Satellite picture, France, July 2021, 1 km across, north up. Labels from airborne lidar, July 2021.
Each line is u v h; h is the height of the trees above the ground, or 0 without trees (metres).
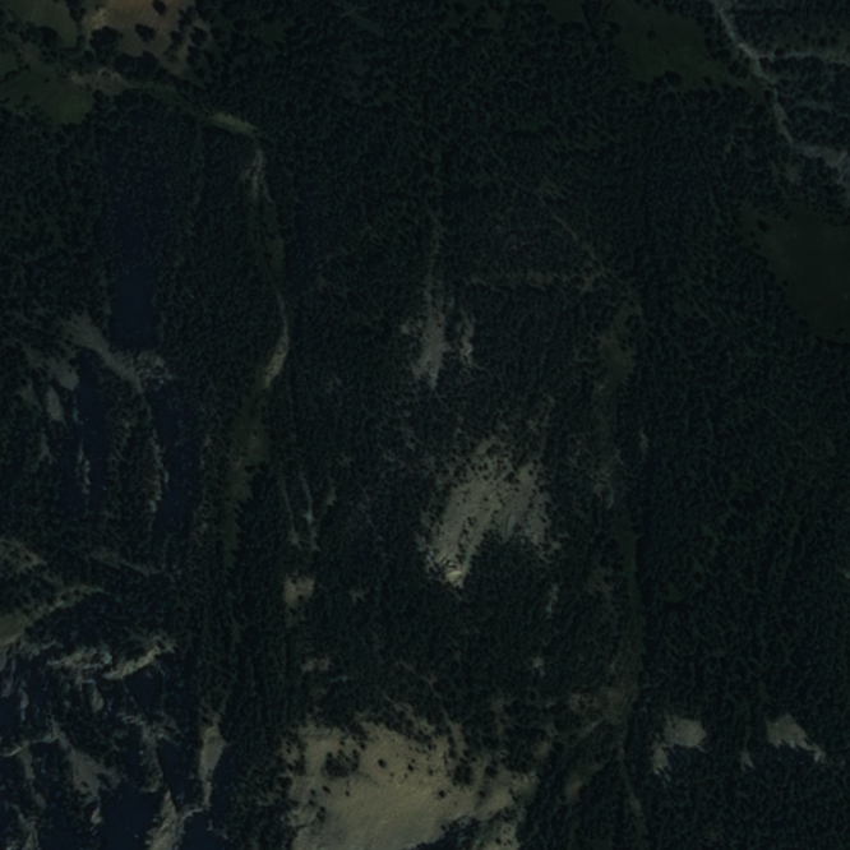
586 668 9
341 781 0
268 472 23
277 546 20
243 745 15
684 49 0
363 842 0
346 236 21
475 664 21
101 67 8
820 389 14
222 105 10
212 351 15
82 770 0
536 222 11
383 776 0
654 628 16
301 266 8
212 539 12
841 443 15
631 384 10
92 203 19
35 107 6
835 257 0
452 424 14
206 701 10
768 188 15
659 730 11
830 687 21
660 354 19
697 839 13
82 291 21
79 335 0
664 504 21
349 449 9
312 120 6
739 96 16
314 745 0
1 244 12
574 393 17
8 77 8
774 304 17
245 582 22
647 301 19
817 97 23
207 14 28
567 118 6
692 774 18
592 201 18
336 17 16
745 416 7
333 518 18
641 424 7
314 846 0
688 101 17
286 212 15
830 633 18
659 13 0
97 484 14
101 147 17
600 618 6
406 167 12
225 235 12
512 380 13
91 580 15
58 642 9
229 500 9
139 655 8
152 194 11
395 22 13
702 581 31
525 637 15
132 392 14
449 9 17
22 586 13
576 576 15
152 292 7
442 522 7
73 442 8
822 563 24
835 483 12
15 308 22
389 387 10
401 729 8
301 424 21
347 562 8
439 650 26
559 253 13
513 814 6
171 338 17
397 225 19
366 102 11
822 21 15
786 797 21
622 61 15
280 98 29
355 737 7
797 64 7
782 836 18
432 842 0
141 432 18
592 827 10
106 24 0
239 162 8
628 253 17
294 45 18
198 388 11
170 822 0
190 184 12
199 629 21
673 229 9
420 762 0
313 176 15
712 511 23
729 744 10
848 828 22
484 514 0
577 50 6
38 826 8
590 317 11
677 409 20
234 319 17
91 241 7
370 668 13
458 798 0
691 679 25
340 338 19
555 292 18
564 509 11
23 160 21
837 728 17
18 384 12
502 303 15
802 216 0
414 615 26
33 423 7
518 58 12
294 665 13
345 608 16
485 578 15
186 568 15
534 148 21
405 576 22
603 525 13
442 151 8
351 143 20
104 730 12
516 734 12
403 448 11
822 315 0
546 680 9
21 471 14
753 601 12
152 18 0
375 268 26
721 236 17
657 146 18
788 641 15
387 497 10
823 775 19
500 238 10
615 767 13
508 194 14
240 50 19
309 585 0
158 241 14
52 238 13
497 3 16
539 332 14
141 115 7
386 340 17
